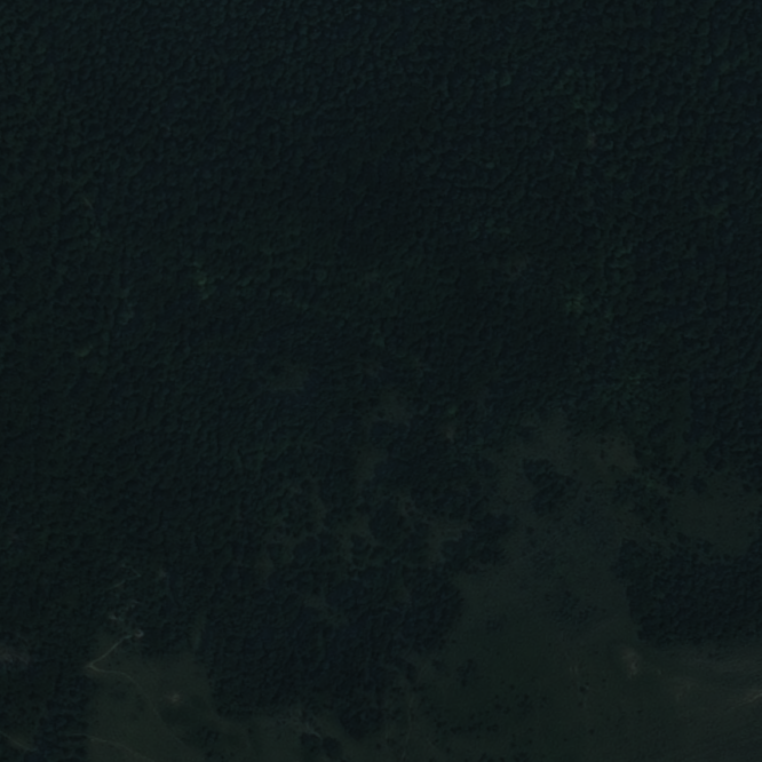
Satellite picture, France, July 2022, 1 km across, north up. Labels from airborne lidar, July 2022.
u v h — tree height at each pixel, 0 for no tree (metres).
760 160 19
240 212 21
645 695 0
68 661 19
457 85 35
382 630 10
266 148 29
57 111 22
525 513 0
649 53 33
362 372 8
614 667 0
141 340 24
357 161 28
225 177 32
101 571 17
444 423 17
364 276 12
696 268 24
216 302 25
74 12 25
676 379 7
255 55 26
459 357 10
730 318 25
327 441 16
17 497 25
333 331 26
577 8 9
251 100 24
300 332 28
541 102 25
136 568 12
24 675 20
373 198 26
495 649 0
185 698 0
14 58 31
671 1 24
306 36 29
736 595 20
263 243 22
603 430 8
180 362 15
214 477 25
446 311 17
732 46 9
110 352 32
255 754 0
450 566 10
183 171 33
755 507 0
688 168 6
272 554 14
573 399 10
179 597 16
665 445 21
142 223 25
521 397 13
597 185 9
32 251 17
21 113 25
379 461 0
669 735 0
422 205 22
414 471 23
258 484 16
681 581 13
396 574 19
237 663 20
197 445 20
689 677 0
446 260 25
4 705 14
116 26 26
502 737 0
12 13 33
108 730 0
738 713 0
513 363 21
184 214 13
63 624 12
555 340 19
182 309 20
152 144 14
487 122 9
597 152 18
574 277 28
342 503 16
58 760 9
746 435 13
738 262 29
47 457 14
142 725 0
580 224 26
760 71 11
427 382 26
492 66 36
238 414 21
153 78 34
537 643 0
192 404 19
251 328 23
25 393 10
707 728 0
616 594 0
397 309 18
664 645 6
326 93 31
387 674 14
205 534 28
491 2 27
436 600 10
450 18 31
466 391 14
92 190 28
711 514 0
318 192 15
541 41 25
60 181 14
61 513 17
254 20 32
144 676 0
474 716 6
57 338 20
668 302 8
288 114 31
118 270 29
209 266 31
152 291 25
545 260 8
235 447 21
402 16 12
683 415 0
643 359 30
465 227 29
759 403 20
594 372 27
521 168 29
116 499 22
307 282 8
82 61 30
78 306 9
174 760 0
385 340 23
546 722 0
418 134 34
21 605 25
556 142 28
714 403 18
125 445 27
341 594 17
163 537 27
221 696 14
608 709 0
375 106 23
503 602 0
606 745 0
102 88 31
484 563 7
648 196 13
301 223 15
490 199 27
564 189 22
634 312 23
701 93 35
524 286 16
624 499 10
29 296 15
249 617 10
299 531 10
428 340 14
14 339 28
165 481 29
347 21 9
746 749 0
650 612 12
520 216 26
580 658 0
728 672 0
